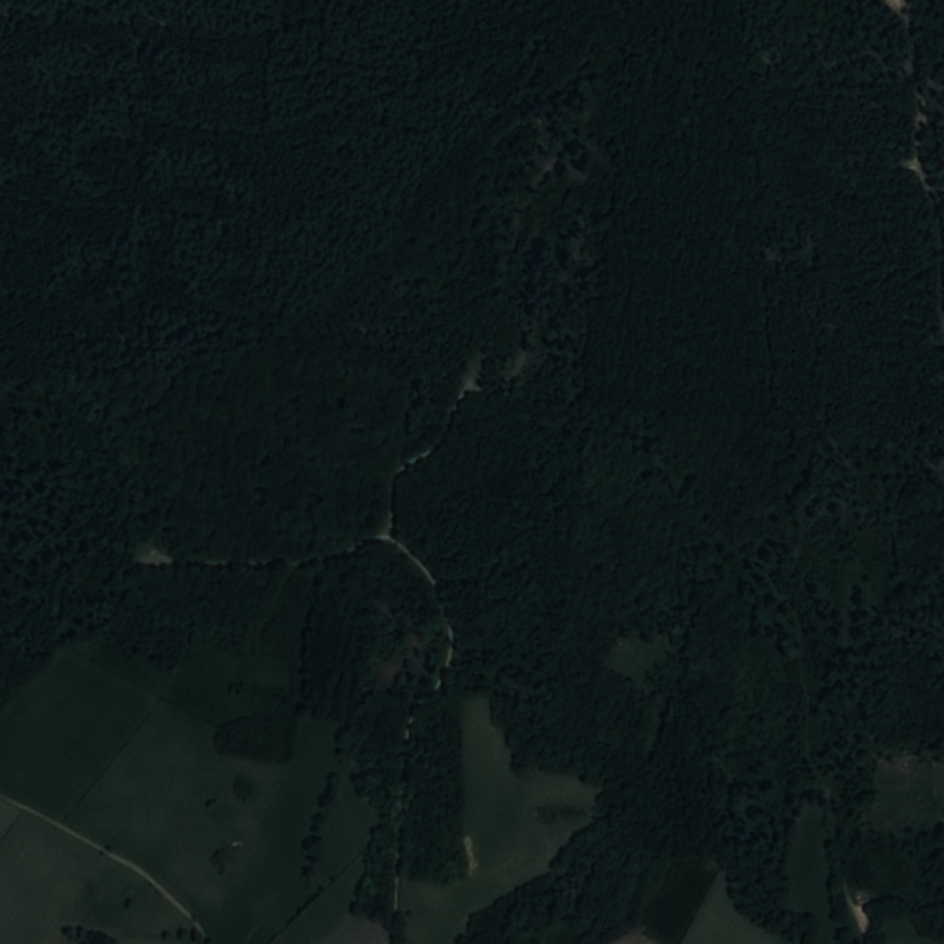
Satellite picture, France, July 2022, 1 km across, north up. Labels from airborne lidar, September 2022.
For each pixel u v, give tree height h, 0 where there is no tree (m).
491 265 13
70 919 0
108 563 11
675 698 15
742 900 20
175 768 0
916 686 22
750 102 16
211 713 0
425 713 19
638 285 20
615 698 23
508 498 15
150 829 0
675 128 16
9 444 10
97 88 28
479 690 15
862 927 0
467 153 22
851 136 21
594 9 20
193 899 0
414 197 27
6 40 26
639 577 22
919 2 21
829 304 20
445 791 21
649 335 15
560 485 13
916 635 33
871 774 7
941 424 26
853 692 8
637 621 19
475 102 33
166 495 25
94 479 21
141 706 0
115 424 24
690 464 22
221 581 17
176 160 32
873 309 25
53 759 0
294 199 25
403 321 17
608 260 18
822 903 0
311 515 26
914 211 25
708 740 19
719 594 21
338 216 30
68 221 21
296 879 0
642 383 18
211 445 23
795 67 20
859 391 18
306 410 24
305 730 0
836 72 15
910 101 23
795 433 26
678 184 16
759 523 24
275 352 21
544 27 21
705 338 19
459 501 18
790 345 24
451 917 0
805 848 0
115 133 17
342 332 20
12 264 21
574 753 21
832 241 23
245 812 0
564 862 20
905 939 0
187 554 21
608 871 16
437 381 19
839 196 24
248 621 17
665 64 18
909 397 25
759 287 16
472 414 13
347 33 30
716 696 19
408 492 14
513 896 8
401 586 11
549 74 24
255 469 20
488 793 0
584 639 23
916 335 22
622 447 25
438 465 11
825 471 28
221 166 26
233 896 0
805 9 19
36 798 0
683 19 20
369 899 14
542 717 21
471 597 18
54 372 22
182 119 22
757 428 19
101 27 25
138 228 36
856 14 29
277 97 31
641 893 12
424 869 16
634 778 13
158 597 20
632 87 17
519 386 14
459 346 7
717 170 16
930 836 18
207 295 34
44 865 0
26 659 16
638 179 18
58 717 0
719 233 16
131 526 18
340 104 24
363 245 30
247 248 25
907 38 27
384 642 22
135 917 0
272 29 22
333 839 0
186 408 28
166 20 39
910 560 21
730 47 17
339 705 10
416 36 21
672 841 15
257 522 24
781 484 25
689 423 20
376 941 0
